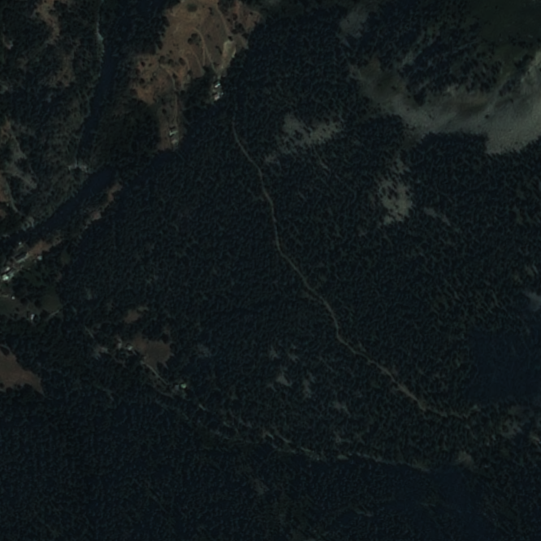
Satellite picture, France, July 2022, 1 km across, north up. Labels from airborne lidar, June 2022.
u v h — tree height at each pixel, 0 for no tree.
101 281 18
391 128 17
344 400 23
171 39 0
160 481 26
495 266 20
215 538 29
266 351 21
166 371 24
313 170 16
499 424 23
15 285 7
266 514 6
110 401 32
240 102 12
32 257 0
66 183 7
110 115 10
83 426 38
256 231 23
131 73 12
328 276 20
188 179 18
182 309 25
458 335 17
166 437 16
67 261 0
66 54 10
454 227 17
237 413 27
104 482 7
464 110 0
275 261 23
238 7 0
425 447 19
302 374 22
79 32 22
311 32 23
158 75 0
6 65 8
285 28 22
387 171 13
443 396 21
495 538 28
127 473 26
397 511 28
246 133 15
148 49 15
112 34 12
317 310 18
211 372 31
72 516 27
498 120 0
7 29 10
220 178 25
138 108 12
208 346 23
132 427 22
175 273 20
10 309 0
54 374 7
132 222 17
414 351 21
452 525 27
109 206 6
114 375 11
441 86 19
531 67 0
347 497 19
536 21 0
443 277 22
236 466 22
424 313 21
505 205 26
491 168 24
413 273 18
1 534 20
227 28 0
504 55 0
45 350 9
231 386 17
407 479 18
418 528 27
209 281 11
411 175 12
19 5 11
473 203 21
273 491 24
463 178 21
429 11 7
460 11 7
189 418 27
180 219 23
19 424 30
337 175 11
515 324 23
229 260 24
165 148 0
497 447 11
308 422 16
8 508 26
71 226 17
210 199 19
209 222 24
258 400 10
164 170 26
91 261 22
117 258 15
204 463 7
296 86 15
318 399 6
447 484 26
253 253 24
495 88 7
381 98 0
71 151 20
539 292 26
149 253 23
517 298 28
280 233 9
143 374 14
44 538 8
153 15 16
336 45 8
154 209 20
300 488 24
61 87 22
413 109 0
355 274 21
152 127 7
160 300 29
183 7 0
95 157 7
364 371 26
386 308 25
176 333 9
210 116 23
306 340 16
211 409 24
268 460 23
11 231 11
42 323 10
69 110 14
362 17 0
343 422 17
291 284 11
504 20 0
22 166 20
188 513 28
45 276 10
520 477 12
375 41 24
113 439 31
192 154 23
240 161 22
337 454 24
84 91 14
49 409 22
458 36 9
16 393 10
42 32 12
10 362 0
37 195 7
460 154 20
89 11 11
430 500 30
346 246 25
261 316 22
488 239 22
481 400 13
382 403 22
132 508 23
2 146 8
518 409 0
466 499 14
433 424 22
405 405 20
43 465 25
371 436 24
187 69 0
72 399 33
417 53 8
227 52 0
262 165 12
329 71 18
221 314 24
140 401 30
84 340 18
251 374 16
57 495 9
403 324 28
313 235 22
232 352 22
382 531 12
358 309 20
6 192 0
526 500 26
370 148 16
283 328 21
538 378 29
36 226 8
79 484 13
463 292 11
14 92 10
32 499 23
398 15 10
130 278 21
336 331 11
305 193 13
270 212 14
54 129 9
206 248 20
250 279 23
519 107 0
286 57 25
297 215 21
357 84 25
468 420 17
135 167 20
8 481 7
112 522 23
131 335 18
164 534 30
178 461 22
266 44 17
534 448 21
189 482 25
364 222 17
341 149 17
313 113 15
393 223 11
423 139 0
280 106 9
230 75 11
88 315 18
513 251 24
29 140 11
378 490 24
